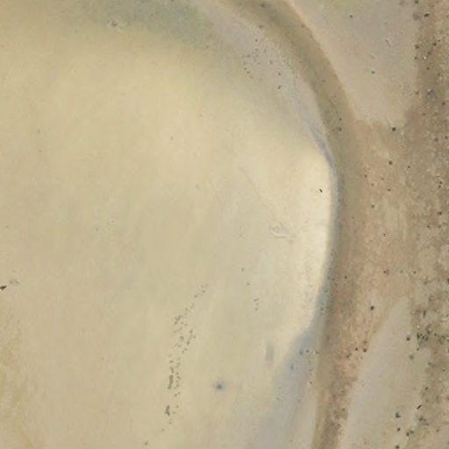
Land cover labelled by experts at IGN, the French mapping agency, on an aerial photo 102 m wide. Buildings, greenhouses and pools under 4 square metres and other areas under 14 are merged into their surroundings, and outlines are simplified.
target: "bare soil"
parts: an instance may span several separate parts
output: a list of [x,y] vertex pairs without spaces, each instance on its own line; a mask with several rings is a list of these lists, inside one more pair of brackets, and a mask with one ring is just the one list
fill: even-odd
[[0,0],[0,449],[449,449],[449,0]]

